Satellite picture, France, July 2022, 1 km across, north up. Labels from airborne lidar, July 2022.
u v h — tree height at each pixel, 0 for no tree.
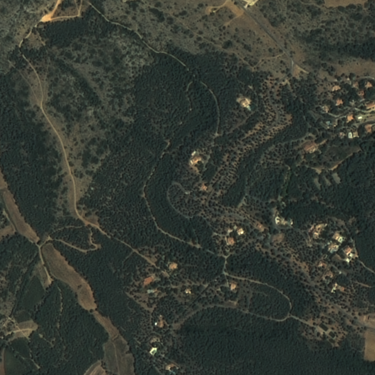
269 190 13
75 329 10
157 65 9
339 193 13
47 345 12
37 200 9
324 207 18
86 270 14
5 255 12
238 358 9
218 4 0
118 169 11
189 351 12
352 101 12
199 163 11
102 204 13
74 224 9
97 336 11
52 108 0
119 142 8
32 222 11
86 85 9
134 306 9
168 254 7
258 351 10
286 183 10
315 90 9
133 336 10
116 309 11
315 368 9
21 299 10
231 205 12
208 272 12
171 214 14
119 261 8
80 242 9
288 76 7
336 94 11
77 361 11
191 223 14
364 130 12
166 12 0
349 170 22
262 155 14
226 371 9
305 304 12
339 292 14
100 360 14
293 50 0
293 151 13
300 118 13
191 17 0
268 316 8
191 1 0
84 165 0
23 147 7
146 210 13
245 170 17
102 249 9
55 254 0
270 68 0
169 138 16
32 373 15
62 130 0
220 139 13
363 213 13
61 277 0
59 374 13
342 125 10
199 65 13
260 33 0
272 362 12
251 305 9
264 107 6
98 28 9
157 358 10
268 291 11
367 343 0
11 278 10
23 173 10
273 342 12
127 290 7
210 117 14
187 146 7
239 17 0
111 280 12
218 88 10
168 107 13
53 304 10
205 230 10
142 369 9
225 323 8
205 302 9
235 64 7
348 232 7
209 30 0
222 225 12
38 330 9
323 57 9
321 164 12
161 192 14
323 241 7
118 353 0
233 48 0
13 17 0
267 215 14
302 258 12
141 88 11
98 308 10
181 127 16
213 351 9
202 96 14
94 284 14
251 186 14
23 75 0
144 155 10
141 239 11
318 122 11
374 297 11
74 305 11
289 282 14
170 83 11
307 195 19
